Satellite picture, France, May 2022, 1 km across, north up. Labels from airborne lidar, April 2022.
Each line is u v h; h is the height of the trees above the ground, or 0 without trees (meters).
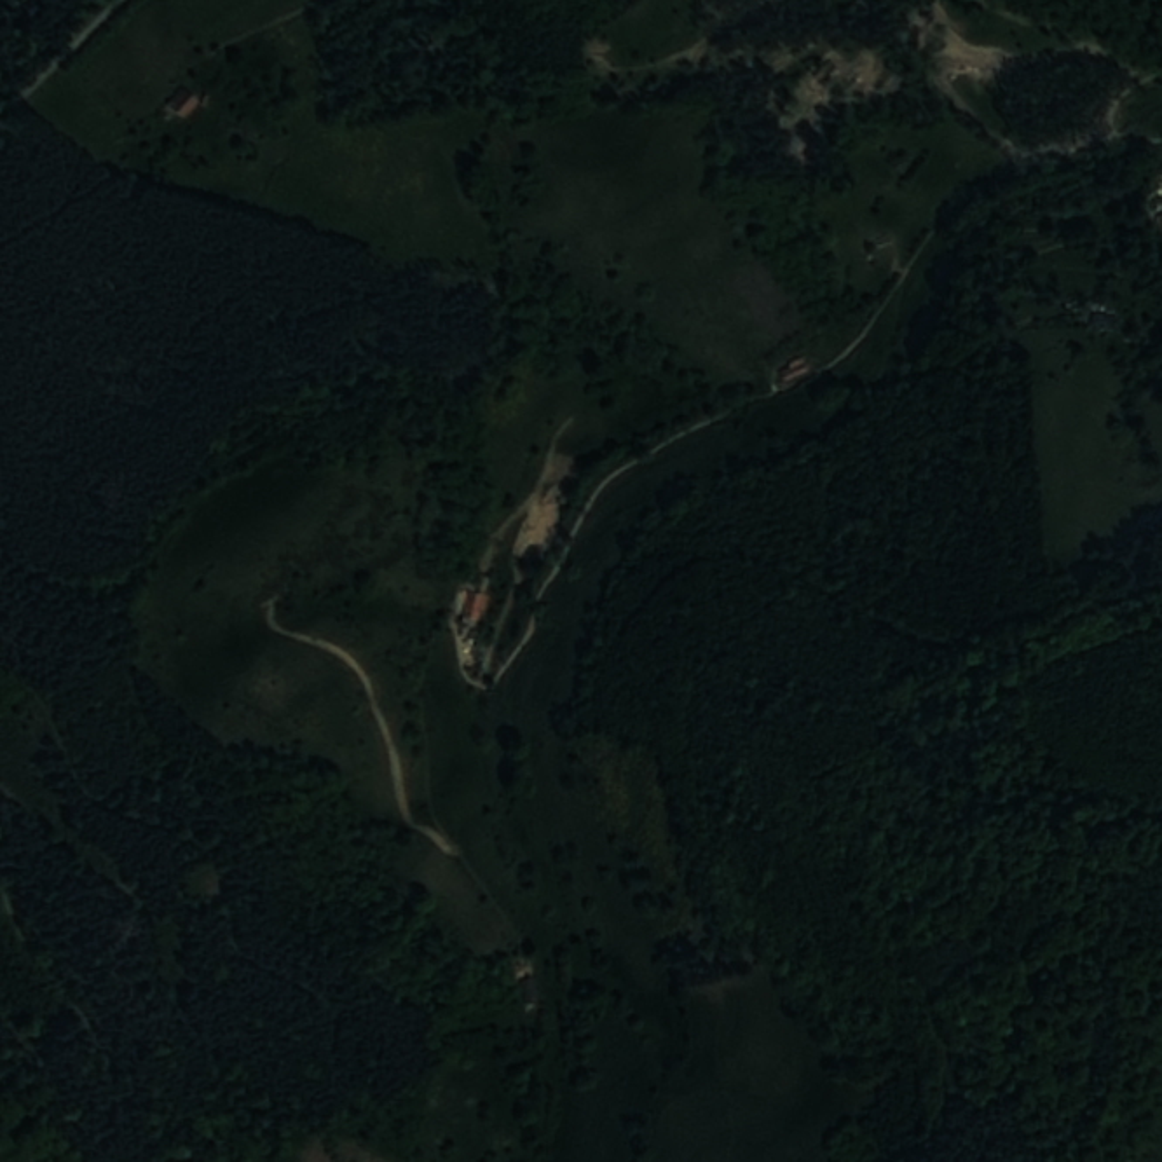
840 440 15
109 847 22
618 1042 0
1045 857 26
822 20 22
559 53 21
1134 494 0
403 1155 7
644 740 7
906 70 24
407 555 0
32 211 32
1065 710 17
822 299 17
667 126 0
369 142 0
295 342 31
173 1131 27
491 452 0
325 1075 24
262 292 32
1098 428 0
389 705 0
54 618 24
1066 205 18
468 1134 0
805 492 10
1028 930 9
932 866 15
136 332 29
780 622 15
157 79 0
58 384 30
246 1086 23
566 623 0
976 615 17
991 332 20
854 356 0
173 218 32
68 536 29
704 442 0
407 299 32
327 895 21
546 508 0
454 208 0
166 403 33
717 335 0
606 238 0
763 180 28
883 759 11
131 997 31
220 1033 25
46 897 28
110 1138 28
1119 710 16
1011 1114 20
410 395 24
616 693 14
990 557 18
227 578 0
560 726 16
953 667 26
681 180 0
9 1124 9
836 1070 21
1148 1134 19
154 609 0
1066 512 0
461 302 34
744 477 19
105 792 12
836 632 15
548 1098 20
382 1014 24
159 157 11
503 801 0
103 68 0
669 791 15
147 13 0
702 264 0
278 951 19
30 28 29
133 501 24
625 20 0
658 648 15
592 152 0
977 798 22
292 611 14
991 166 0
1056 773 21
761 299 0
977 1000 23
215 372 32
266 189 0
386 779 0
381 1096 21
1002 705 27
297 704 0
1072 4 27
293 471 0
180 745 17
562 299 18
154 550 8
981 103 0
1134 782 15
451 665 0
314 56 0
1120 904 15
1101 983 24
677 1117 0
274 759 21
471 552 27
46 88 0
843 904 11
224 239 31
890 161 7
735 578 13
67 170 32
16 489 33
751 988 0
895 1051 9
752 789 12
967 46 0
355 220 0
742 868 9
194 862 17
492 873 0
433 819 0
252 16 0
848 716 15
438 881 0
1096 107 28
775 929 9
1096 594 25
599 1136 0
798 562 10
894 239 0
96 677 19
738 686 12
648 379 7
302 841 19
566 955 10
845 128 22
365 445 18
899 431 18
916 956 16
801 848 10
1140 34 30
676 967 23
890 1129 6
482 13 21
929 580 18
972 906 18
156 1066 23
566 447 0
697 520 12
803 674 15
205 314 31
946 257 0
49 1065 26
